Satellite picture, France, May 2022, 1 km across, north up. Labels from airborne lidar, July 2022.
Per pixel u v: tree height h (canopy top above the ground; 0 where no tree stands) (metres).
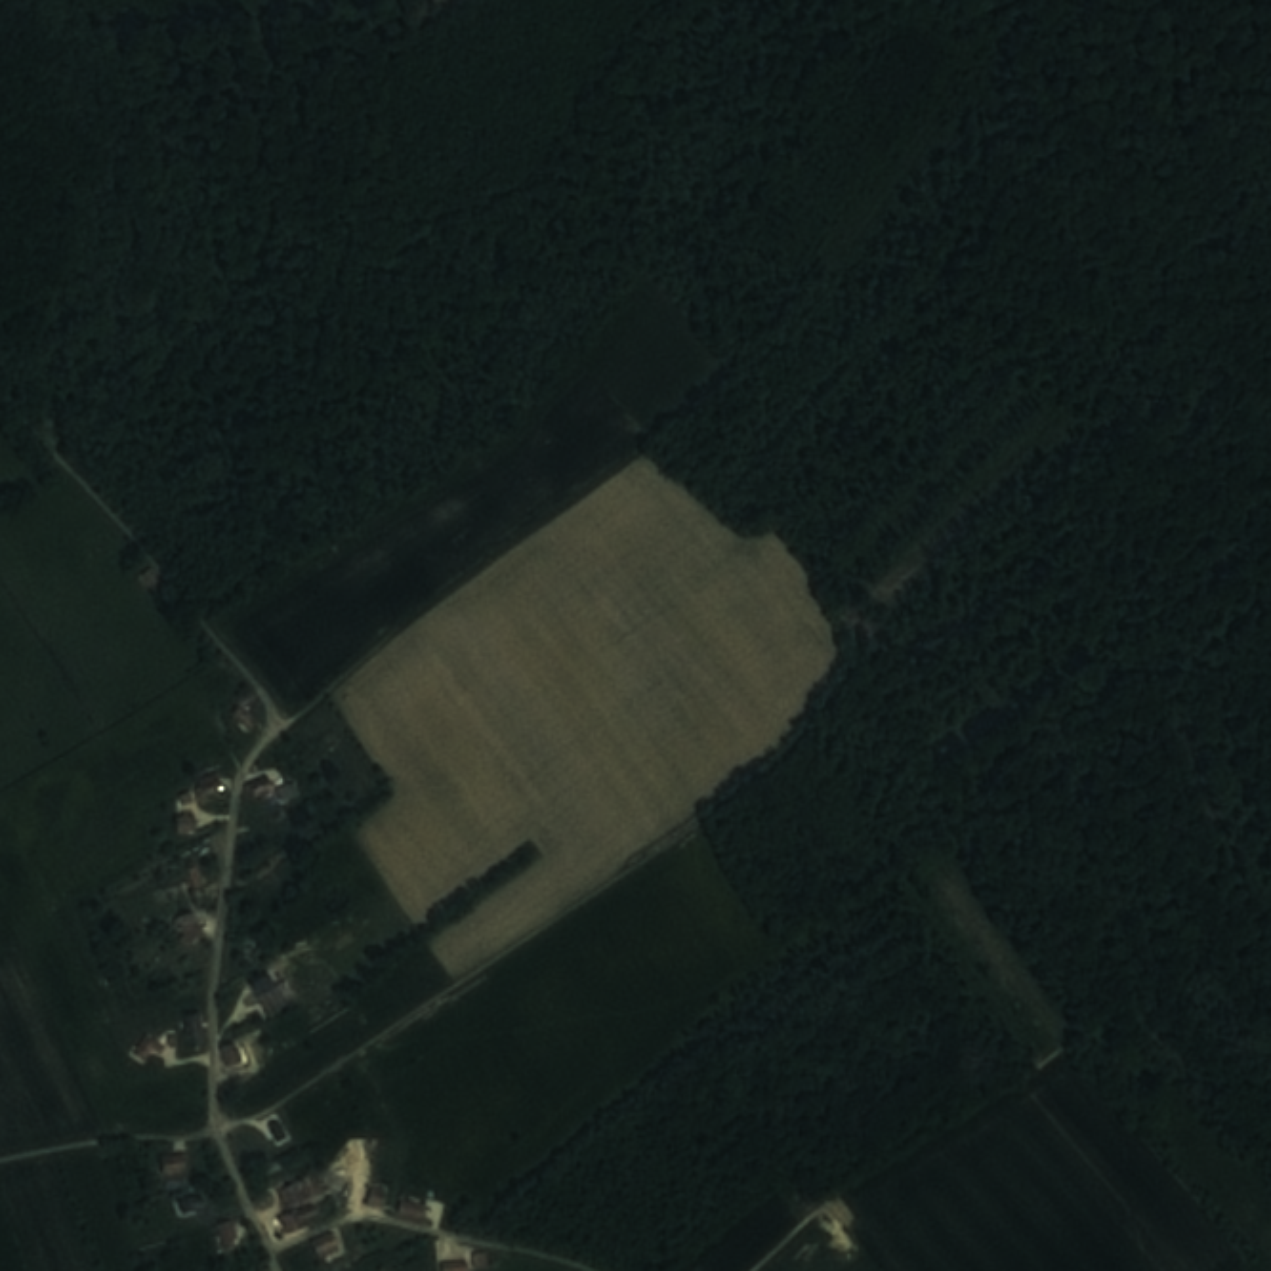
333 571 0
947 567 25
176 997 0
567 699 0
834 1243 0
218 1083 0
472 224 21
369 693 0
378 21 26
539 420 0
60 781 0
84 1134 0
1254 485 28
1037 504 27
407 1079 0
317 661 0
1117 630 16
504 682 0
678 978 0
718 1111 19
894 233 25
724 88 17
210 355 31
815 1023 26
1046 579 30
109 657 0
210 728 0
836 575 20
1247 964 24
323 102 26
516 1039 0
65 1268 0
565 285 19
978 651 25
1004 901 20
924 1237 0
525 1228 13
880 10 19
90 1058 0
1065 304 28
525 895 0
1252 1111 24
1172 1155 11
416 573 0
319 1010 0
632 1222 14
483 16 17
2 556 0
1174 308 27
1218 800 26
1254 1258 7
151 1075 0
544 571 0
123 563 8
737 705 0
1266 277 24
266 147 32
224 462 27
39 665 0
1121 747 27
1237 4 26
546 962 0
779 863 22
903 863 26
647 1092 14
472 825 0
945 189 19
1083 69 34
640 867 0
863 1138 28
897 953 22
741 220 22
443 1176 0
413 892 0
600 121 24
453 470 16
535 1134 0
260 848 13
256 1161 14
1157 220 24
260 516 26
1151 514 28
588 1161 13
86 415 28
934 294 8
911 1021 22
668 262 13
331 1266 0
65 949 0
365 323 27
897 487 24
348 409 21
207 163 27
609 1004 0
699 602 0
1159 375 25
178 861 7
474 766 0
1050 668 12
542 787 0
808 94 22
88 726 0
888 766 20
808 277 18
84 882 0
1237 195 19
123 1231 0
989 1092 21
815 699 12
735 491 18
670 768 0
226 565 24
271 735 0
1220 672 24
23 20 27
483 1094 0
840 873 12
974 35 27
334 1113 0
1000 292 21
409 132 18
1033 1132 0
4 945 0
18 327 27
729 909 0
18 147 22
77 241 24
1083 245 22
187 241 22
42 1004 0
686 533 0
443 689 0
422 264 26
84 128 26
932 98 11
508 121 15
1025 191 24
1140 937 25
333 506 21
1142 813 23
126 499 21
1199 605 27
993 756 17
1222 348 26
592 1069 0
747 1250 0
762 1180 20
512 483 0
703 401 20
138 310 24
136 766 0
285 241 18
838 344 19
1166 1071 23
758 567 0
